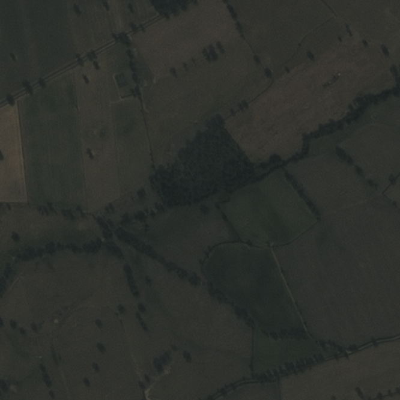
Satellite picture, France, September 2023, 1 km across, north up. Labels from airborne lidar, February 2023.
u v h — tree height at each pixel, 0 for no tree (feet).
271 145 0
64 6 0
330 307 0
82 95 0
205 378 0
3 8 0
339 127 50
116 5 0
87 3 0
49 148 0
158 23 0
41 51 0
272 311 0
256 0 0
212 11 0
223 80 0
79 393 0
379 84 0
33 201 0
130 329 0
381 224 0
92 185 0
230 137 25
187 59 0
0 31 0
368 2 0
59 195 0
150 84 0
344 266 0
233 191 25
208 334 0
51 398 31
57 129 0
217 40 0
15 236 49
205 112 0
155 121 0
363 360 0
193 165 41
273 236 0
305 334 47
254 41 0
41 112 0
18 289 0
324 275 0
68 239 0
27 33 0
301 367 50
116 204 0
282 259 0
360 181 0
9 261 0
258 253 0
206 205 0
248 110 0
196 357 0
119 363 0
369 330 0
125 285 0
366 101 59
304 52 0
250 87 0
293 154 0
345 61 0
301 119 0
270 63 0
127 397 0
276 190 0
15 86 0
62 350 0
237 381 0
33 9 0
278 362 0
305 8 0
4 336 0
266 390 0
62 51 0
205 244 0
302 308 0
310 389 0
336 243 0
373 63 0
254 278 0
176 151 0
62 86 0
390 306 0
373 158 0
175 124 0
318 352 0
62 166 0
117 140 0
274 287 0
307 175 0
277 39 0
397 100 0
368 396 0
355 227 0
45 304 0
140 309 39
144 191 36
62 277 0
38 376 0
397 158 0
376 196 0
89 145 0
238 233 0
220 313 0
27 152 0
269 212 0
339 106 0
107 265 0
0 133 0
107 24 0
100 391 0
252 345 0
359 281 0
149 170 0
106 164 0
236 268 0
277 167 20
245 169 63
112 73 0
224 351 0
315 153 0
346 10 0
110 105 0
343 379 0
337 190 0
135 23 0
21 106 0
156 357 0
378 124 0
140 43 0
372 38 0
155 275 0
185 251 0
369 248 0
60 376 0
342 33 0
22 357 0
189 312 0
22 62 0
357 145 0
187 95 0
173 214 0
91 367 0
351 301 0
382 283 0
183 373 0
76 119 0
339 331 0
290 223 0
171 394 0
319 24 0
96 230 0
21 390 0
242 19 0
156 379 0
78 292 0
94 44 0
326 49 0
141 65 0
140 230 0
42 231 0
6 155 0
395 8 0
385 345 0
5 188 0
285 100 0
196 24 0
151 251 60
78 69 0
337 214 0
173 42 0
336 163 0
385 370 0
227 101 0
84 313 0
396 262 0
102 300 0
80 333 0
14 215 0
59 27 0
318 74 0
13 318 0
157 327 0
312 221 0
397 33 0
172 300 0
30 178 0
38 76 0
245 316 57
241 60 0
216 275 0
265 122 0
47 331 0
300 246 0
